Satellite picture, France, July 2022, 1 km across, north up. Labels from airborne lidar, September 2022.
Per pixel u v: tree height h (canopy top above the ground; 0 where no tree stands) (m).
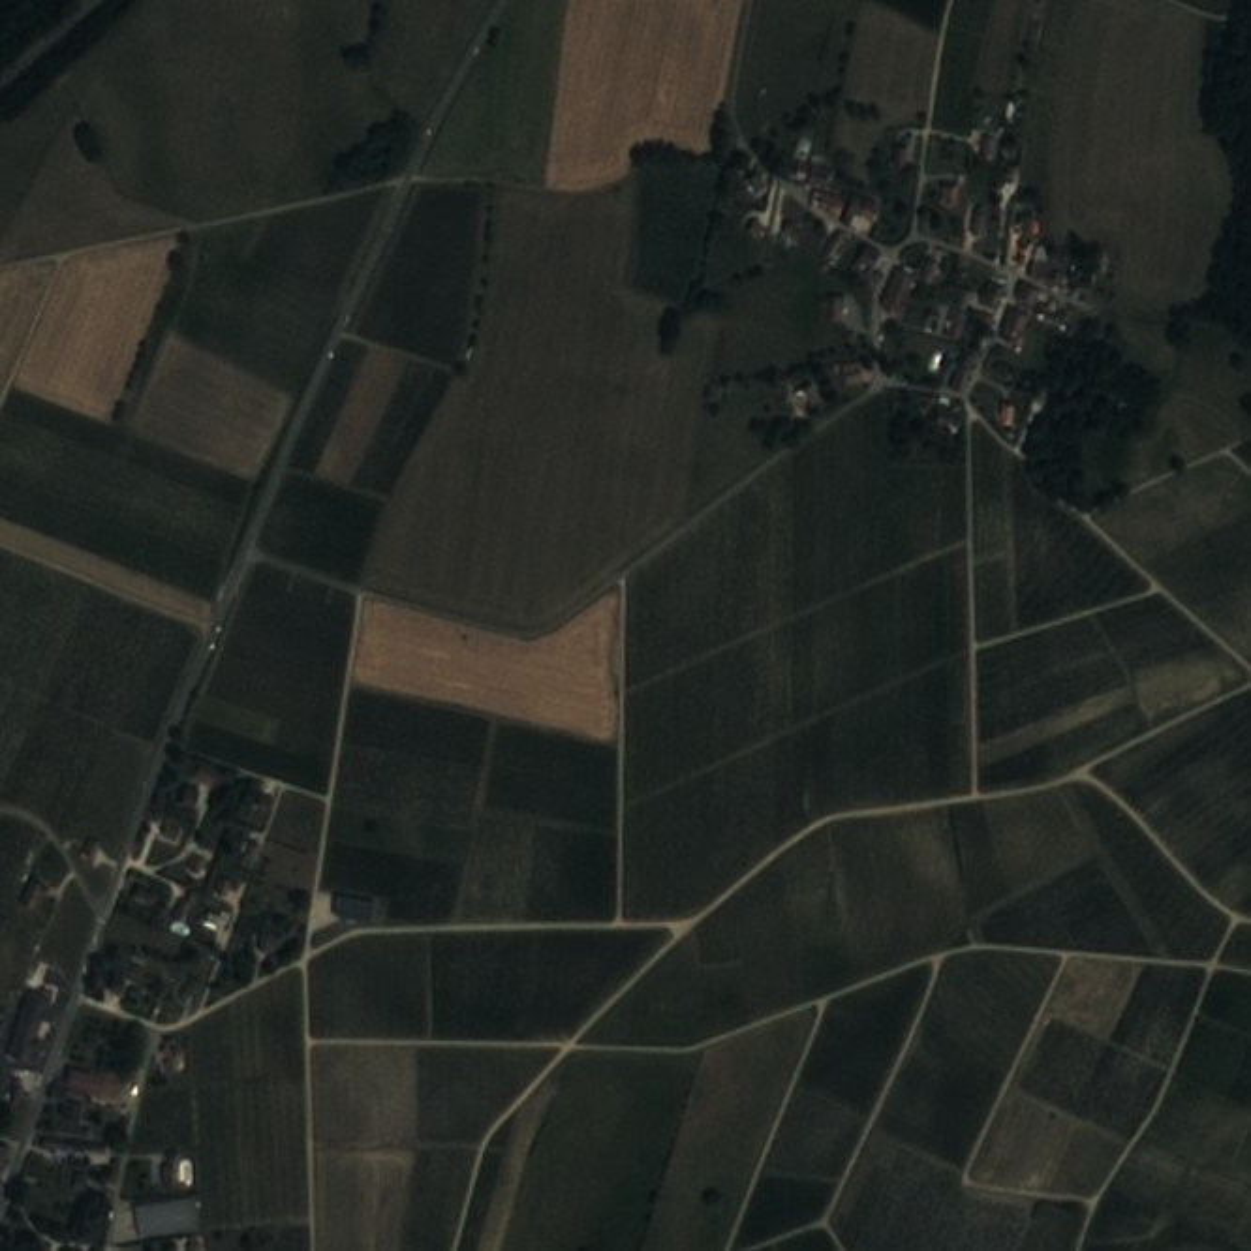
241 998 0
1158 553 0
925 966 0
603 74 0
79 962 0
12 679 0
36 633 0
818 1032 0
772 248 0
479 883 0
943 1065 0
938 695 0
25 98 8
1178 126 0
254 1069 0
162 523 0
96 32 6
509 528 0
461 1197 0
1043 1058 0
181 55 0
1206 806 0
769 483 0
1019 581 0
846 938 0
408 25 0
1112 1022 0
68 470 0
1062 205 0
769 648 0
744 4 0
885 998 0
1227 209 0
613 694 0
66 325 0
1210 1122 0
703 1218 0
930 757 0
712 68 0
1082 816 0
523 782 0
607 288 0
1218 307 12
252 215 0
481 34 0
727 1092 0
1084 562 0
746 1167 0
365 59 13
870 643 0
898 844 0
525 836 0
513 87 0
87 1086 0
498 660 0
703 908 0
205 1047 0
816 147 0
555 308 0
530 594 0
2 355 0
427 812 0
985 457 0
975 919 0
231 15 0
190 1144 0
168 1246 11
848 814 0
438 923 0
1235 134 15
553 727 0
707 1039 0
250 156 0
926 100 0
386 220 0
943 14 0
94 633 0
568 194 0
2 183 0
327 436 0
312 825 0
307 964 0
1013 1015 0
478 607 0
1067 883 0
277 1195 0
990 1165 0
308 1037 0
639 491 0
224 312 0
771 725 0
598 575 0
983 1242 0
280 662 0
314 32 0
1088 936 0
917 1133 0
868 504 0
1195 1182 0
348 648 0
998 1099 0
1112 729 0
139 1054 10
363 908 0
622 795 0
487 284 7
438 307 0
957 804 0
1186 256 0
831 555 0
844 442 0
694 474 0
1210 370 0
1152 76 0
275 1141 0
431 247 0
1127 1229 0
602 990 0
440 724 0
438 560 0
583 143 0
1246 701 0
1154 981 0
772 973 0
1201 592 0
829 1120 0
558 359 0
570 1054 0
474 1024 0
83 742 0
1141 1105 0
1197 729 0
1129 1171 0
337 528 0
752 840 0
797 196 0
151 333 0
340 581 0
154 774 0
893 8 0
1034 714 0
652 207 0
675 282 0
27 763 0
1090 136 0
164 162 0
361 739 0
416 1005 0
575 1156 0
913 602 0
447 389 0
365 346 0
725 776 0
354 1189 0
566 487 0
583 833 0
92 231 0
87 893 0
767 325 0
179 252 7
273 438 0
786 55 0
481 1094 0
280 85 0
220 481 0
